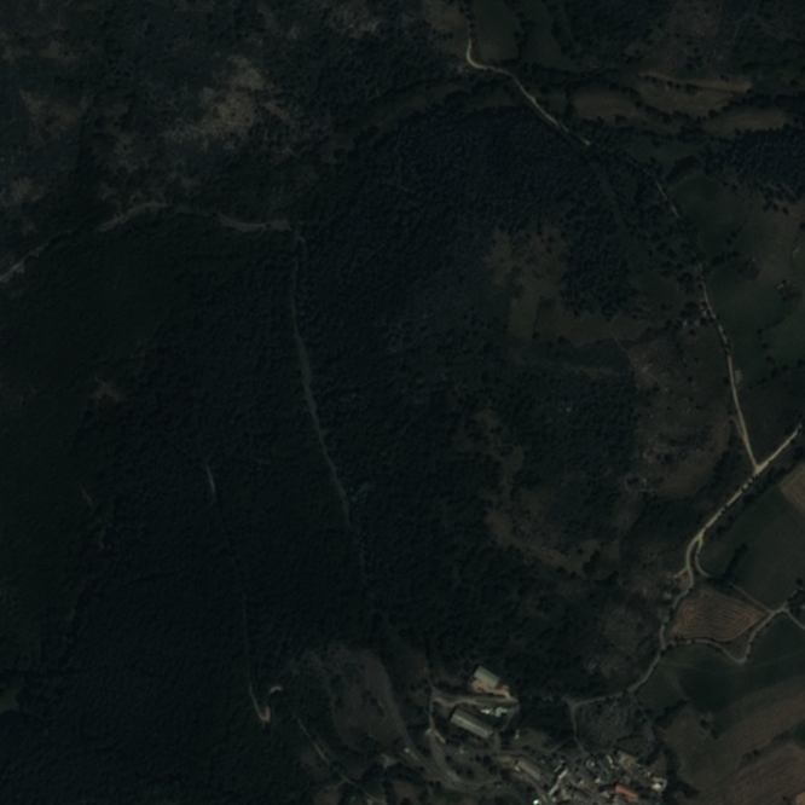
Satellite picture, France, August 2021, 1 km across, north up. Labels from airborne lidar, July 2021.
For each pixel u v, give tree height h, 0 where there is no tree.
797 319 0
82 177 15
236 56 0
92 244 13
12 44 0
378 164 10
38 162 0
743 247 0
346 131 15
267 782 11
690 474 0
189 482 16
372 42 7
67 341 18
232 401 14
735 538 0
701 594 0
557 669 9
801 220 0
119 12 6
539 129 22
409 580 14
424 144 18
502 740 7
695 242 9
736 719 0
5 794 11
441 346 6
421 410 10
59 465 20
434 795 0
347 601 21
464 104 11
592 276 12
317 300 13
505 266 0
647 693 0
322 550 24
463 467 8
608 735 0
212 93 0
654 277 0
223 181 9
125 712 18
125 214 11
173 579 22
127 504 22
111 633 21
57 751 16
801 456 14
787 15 0
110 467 20
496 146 23
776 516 0
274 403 20
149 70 0
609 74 10
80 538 21
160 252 24
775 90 0
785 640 0
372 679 0
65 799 13
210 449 16
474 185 15
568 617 11
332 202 11
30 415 12
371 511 19
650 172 12
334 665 0
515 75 11
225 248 18
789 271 0
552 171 18
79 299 20
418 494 11
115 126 7
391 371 12
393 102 17
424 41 11
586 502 6
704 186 0
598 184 18
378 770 12
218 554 19
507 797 0
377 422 15
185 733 23
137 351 7
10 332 11
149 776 15
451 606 8
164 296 22
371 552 16
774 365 9
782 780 0
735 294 0
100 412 24
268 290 19
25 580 18
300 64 12
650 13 8
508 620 11
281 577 22
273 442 21
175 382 16
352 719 0
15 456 15
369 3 7
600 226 10
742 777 0
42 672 21
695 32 0
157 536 22
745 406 0
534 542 0
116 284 11
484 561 15
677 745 0
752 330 0
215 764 13
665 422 0
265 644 10
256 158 8
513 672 11
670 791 11
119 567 25
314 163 12
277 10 7
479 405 9
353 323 17
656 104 0
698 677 0
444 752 0
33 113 0
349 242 14
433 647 11
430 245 10
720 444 0
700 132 10
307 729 9
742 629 0
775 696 0
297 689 11
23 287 12
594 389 7
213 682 22
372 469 10
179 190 6
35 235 10
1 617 10
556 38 15
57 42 0
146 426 24
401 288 13
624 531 0
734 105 12
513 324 0
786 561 0
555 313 0
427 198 11
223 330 20
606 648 7
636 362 0
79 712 18
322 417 15
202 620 20
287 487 20
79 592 7
